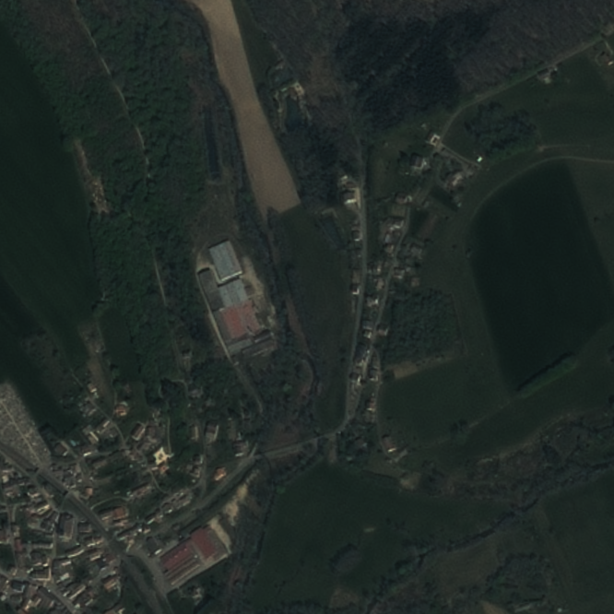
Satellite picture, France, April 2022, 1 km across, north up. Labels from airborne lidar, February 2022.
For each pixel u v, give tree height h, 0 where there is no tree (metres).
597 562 0
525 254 0
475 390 0
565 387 0
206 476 0
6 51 0
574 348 0
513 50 31
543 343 0
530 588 9
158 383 16
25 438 0
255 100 0
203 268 0
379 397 0
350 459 16
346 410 0
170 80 30
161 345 25
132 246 26
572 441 0
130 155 15
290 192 0
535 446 0
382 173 0
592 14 33
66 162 0
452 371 0
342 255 0
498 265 0
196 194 18
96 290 0
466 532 0
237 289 0
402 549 0
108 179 24
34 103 0
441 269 0
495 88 19
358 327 0
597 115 0
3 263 0
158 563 0
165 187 31
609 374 0
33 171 0
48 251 0
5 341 0
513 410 0
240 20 0
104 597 0
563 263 0
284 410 28
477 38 25
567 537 0
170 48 25
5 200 0
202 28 10
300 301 24
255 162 0
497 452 0
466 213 0
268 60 0
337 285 0
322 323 0
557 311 0
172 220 16
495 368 0
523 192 0
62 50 14
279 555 0
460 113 0
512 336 0
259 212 18
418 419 0
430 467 14
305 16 25
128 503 0
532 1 26
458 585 0
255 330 0
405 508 0
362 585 0
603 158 0
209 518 0
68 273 0
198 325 20
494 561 0
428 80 26
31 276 0
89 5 28
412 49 22
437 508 0
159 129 28
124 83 30
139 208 24
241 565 17
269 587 0
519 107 0
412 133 0
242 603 21
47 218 0
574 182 0
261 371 0
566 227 0
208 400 7
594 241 0
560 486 21
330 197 18
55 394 0
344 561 22
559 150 0
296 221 0
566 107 0
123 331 0
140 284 25
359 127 19
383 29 25
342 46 25
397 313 14
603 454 0
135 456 0
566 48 30
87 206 0
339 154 18
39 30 26
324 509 0
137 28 25
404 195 0
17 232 0
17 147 0
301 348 18
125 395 0
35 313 0
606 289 0
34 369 0
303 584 0
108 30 30
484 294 0
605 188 0
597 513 0
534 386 17
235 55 0
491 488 0
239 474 0
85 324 0
